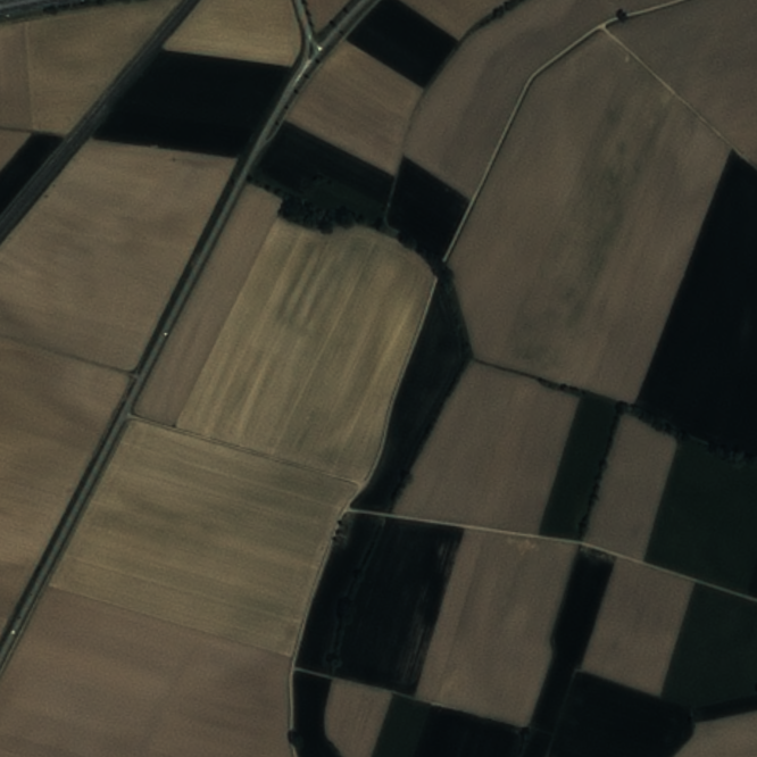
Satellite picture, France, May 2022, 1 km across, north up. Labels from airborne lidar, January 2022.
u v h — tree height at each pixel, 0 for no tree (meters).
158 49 0
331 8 0
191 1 0
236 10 0
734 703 0
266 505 0
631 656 0
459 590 0
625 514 0
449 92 0
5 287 0
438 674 0
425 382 0
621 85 0
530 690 0
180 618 0
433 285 0
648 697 0
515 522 0
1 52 0
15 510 0
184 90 0
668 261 0
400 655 0
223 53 0
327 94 0
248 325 0
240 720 0
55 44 0
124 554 0
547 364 0
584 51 0
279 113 0
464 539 0
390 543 0
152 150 0
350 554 0
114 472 0
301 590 0
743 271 0
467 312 0
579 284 0
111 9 0
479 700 0
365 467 0
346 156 0
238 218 0
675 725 0
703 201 0
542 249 0
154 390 0
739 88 0
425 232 0
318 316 0
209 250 0
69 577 0
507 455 0
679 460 0
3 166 0
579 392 9
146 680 0
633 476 0
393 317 0
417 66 0
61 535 0
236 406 0
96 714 0
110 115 0
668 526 0
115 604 0
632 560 0
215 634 0
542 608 0
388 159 0
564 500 0
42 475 0
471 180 0
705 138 0
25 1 0
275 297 0
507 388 0
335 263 0
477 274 0
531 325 0
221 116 0
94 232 0
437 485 0
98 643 0
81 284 0
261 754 0
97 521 0
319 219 9
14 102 0
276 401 0
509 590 0
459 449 0
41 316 0
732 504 0
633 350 0
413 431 0
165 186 0
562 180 0
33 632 0
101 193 0
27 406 0
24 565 0
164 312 0
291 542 0
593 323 0
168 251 0
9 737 0
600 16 0
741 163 0
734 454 18
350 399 0
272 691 0
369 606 0
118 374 0
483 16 0
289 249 0
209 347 0
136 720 0
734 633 0
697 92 0
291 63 0
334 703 0
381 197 0
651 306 0
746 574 0
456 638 0
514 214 0
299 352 0
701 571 0
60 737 0
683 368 0
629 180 0
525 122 0
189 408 0
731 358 0
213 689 0
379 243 0
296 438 0
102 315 0
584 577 0
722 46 0
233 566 0
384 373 0
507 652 0
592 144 0
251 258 0
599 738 0
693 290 0
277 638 0
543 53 0
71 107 0
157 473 0
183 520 0
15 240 0
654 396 0
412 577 0
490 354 0
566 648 0
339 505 0
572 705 0
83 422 0
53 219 0
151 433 0
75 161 0
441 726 0
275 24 0
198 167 0
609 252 0
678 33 0
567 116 0
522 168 0
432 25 0
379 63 0
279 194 7
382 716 0
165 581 0
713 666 0
